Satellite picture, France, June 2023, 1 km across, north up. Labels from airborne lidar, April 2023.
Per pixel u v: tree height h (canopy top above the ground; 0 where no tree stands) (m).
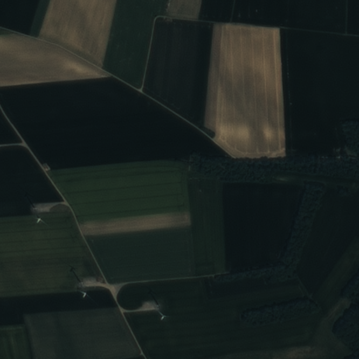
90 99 0
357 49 0
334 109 0
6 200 0
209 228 0
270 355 0
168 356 0
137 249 0
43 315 0
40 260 0
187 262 0
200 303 0
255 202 0
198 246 0
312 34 0
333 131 0
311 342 0
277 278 16
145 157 0
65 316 0
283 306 22
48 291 0
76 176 0
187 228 0
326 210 0
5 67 0
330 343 0
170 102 0
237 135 0
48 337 0
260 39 0
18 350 0
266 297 0
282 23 0
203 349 0
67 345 0
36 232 0
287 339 0
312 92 0
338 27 0
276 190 0
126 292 0
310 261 0
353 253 0
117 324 0
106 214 0
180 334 0
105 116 0
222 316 0
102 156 0
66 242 0
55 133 0
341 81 0
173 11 0
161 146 0
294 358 0
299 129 0
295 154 0
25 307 0
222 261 0
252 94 0
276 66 0
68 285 0
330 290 0
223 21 0
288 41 0
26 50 0
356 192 0
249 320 15
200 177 0
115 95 0
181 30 0
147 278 0
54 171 0
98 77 0
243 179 10
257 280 0
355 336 18
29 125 0
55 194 0
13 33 0
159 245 0
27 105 0
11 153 0
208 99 0
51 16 0
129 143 0
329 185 0
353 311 25
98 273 0
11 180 0
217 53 0
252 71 0
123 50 0
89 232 0
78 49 0
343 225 0
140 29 0
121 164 0
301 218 21
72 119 0
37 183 0
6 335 0
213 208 0
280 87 0
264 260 0
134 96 0
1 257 0
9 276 0
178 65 0
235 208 0
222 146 0
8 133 0
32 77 0
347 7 0
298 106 0
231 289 0
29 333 0
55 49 0
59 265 0
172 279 0
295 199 0
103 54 0
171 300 0
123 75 0
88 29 0
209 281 0
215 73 0
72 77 0
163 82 0
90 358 0
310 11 0
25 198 0
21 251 0
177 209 0
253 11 0
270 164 18
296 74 0
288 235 0
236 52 0
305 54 0
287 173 0
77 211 0
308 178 0
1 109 0
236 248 0
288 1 0
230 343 0
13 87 0
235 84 0
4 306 0
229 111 0
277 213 0
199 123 0
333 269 0
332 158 17
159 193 0
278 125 0
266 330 0
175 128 0
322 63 0
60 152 0
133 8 0
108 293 0
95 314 0
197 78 0
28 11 0
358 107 0
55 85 0
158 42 0
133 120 0
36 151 0
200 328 0
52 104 0
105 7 0
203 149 0
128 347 0
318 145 0
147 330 0
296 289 0
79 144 0
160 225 0
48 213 0
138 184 0
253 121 0
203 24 0
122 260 0
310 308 12
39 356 0
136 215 0
